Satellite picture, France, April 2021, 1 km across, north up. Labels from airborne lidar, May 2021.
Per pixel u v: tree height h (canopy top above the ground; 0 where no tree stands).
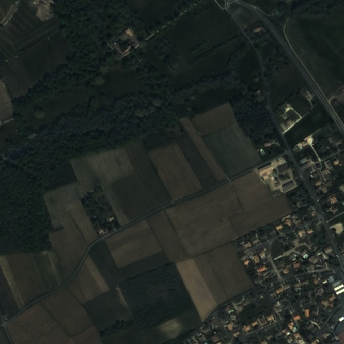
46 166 25
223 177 0
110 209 7
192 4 25
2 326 0
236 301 0
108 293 0
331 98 0
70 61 22
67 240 0
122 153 0
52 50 0
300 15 17
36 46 0
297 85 0
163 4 0
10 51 0
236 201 0
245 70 0
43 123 0
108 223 8
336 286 0
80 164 0
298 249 0
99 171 0
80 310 0
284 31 0
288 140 0
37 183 25
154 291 7
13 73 0
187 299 6
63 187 19
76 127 27
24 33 0
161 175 0
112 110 17
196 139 0
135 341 0
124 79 0
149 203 0
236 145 0
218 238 0
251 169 0
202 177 0
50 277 0
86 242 0
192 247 0
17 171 22
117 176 0
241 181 0
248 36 15
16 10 0
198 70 0
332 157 0
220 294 0
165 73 0
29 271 0
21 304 0
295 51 0
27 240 22
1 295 0
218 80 23
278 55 12
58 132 24
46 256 0
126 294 8
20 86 0
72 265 0
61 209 0
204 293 0
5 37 0
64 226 0
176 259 0
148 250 0
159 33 8
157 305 7
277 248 0
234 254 0
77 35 17
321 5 15
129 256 0
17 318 0
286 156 8
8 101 0
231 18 10
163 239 0
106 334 16
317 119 0
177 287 13
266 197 0
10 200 23
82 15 24
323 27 0
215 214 0
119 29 14
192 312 0
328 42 0
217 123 0
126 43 10
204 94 0
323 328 0
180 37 0
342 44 0
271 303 0
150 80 19
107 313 0
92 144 19
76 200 0
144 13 0
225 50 0
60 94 6
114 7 19
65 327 0
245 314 0
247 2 0
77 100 0
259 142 14
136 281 11
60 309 0
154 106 29
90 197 7
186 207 0
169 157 0
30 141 26
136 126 22
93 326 0
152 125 16
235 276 0
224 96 0
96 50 21
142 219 0
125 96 9
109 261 0
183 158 0
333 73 0
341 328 0
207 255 0
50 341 0
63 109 0
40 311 0
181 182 0
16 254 0
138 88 0
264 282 6
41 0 0
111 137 19
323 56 0
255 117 20
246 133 17
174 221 0
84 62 21
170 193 0
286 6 16
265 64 9
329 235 0
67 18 27
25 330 0
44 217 20
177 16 18
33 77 0
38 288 0
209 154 0
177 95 20
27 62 0
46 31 0
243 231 0
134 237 0
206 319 0
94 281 0
